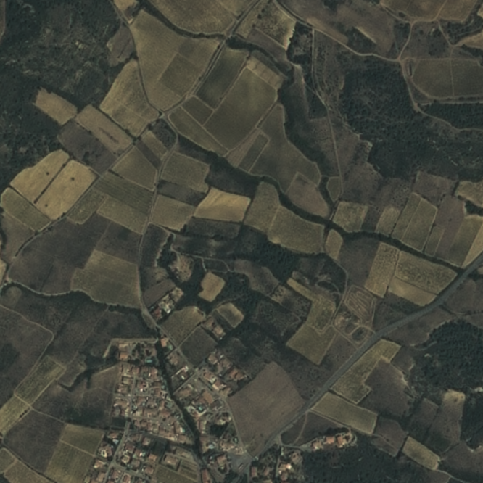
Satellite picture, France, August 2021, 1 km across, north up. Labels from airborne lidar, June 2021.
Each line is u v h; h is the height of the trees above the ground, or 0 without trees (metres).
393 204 0
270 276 0
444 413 0
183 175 0
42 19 0
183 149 0
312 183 0
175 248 0
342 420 0
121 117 0
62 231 0
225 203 0
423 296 0
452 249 0
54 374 0
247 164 0
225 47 0
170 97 0
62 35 0
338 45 0
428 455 0
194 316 0
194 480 0
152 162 0
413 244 0
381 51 0
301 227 0
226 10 0
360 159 0
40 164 0
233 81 0
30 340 0
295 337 0
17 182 0
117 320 0
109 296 0
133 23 0
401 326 0
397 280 0
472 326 15
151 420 0
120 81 0
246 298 8
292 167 0
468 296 0
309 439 0
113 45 0
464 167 0
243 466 0
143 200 0
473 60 0
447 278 0
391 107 6
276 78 0
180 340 0
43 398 0
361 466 0
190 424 8
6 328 0
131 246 0
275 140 0
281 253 12
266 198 0
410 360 0
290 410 0
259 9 0
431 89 0
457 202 0
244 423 0
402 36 0
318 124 0
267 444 0
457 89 0
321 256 6
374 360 0
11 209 0
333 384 0
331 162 0
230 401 0
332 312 0
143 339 0
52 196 0
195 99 0
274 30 0
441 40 0
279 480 10
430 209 0
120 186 0
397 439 0
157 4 0
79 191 0
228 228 0
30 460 0
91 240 0
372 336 0
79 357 0
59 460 0
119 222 0
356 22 0
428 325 0
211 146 0
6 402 0
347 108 7
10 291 0
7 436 0
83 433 0
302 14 0
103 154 0
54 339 0
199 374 0
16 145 9
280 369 0
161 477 0
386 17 0
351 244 0
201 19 0
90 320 0
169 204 0
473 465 0
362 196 0
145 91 0
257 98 0
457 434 0
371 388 0
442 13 0
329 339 0
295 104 0
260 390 0
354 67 0
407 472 0
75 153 0
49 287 0
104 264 0
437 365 0
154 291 0
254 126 0
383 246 0
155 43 0
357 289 0
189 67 0
